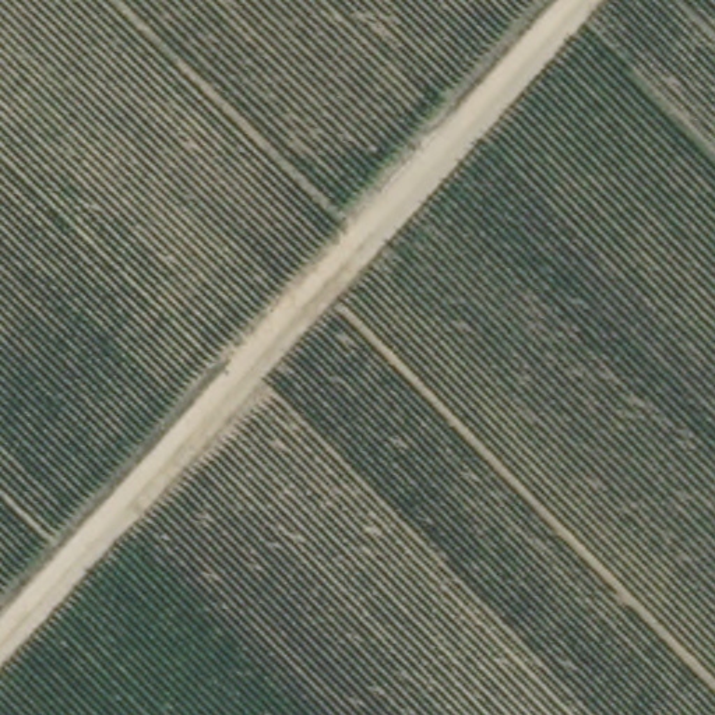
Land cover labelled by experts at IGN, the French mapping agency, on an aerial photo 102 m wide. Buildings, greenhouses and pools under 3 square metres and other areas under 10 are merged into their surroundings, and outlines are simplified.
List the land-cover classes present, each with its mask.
<instances>
[{"label":"vineyard","instance_id":"1","mask_svg":"<svg viewBox=\"0 0 715 715\"><path fill-rule=\"evenodd\" d=\"M556 0H0V612L20 598V592L34 581V575L75 536V531L134 472V466L142 464V458L165 438V433L226 371L232 352L243 344V332H251L257 327L265 307L277 296H282L285 285L307 265H313L321 257V251L346 229V221L355 215L349 204L371 187V182L388 162L402 156L405 151H416L422 134L441 128ZM0 715H715V0H600L595 11H589L584 25L564 39V45L542 67V73L531 78V84L511 101V106L497 117V123L452 168V173L425 198V204L402 223V229H397V235L385 246H380V251L355 277V282L330 302L327 313L251 388L243 408L223 419L218 433L201 447L193 464L184 466V472L162 492V497L145 511V517L134 522L84 573V578L70 589V595L17 648L11 659L0 656Z\"/></svg>","mask_w":715,"mask_h":715},{"label":"pervious surface","instance_id":"2","mask_svg":"<svg viewBox=\"0 0 715 715\"><path fill-rule=\"evenodd\" d=\"M600 0H556L441 128L422 134L416 151H405L402 156L388 162L371 182V187L349 204L355 215L346 221V229L321 251V257L313 265H307L285 285L282 296H277L265 307L257 327L251 332H243V344L232 352L226 371L165 433V438L142 458V464L134 466V472L75 531V536L34 575V581L20 592V598L0 612V656L11 659L17 648L70 595V589L84 578V573L134 522L145 517V511L162 497V492L184 472V466L193 464L201 447L218 433L223 419L243 408L251 388L327 313L330 302L355 282V277L380 251V246H385L397 235V229H402V223L425 204V198L452 173V168L497 123V117L511 106V101L531 84V78L542 73V67L564 45V39L584 25L589 11H595Z\"/></svg>","mask_w":715,"mask_h":715}]
</instances>
